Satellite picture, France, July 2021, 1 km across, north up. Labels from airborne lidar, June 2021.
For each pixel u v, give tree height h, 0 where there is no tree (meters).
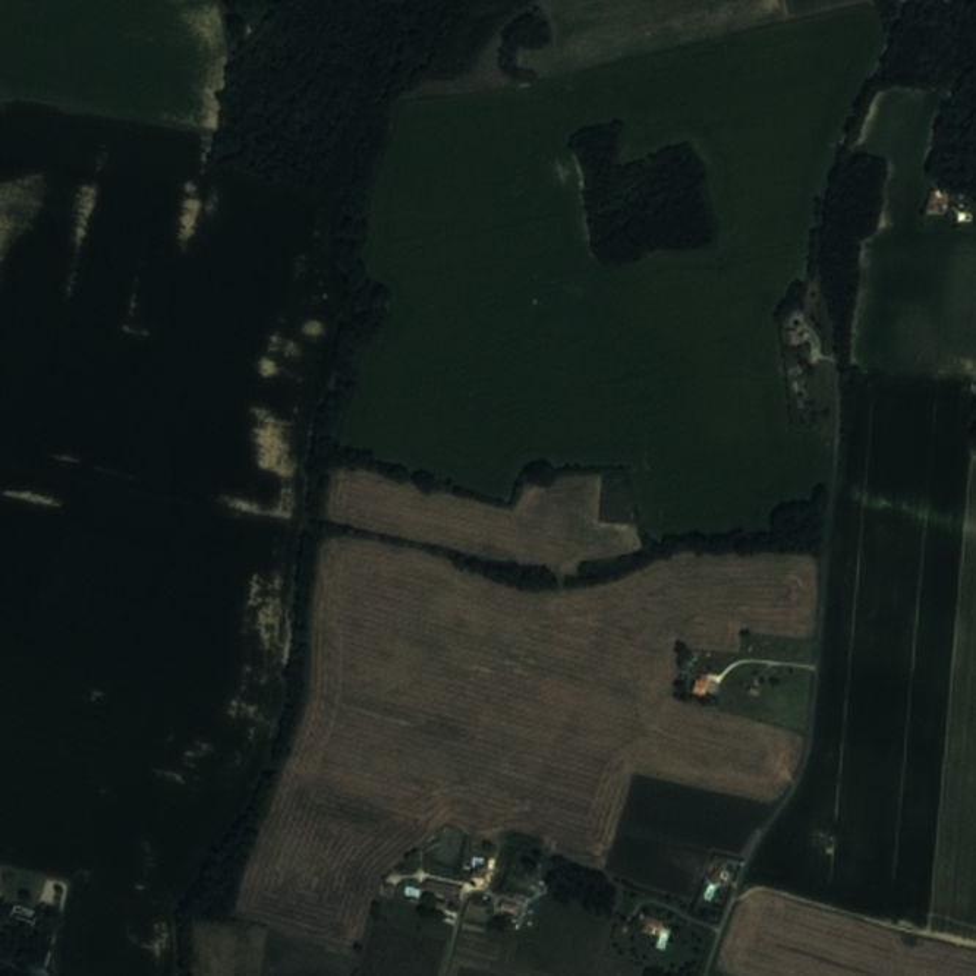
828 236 14
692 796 0
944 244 0
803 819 0
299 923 0
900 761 0
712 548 13
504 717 0
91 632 0
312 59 17
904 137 0
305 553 13
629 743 0
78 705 0
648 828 0
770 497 0
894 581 0
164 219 0
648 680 0
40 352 0
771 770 0
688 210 13
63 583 0
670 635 0
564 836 0
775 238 0
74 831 0
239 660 0
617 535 0
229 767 0
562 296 0
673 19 0
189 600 0
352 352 15
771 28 0
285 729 13
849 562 0
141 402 0
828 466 0
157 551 0
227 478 0
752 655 0
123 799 0
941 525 0
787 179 0
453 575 0
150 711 0
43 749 0
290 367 0
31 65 0
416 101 0
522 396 0
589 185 8
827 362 0
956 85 8
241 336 0
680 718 0
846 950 0
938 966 0
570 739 0
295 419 0
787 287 0
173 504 0
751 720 0
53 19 0
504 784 0
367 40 16
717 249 0
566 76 0
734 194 0
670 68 0
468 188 0
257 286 0
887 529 0
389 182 0
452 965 0
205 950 0
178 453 0
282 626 0
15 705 0
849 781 0
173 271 0
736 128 0
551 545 0
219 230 0
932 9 19
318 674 0
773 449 0
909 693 0
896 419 0
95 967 0
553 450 0
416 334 0
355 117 21
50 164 0
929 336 0
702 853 0
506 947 0
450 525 0
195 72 0
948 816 0
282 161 14
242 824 14
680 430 0
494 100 0
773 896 0
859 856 0
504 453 0
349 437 0
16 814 0
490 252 0
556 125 0
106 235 0
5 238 0
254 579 0
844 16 0
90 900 0
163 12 0
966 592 0
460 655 0
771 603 0
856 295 13
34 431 0
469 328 0
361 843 0
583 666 0
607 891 21
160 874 0
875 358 0
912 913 0
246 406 0
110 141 0
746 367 0
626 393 0
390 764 0
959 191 13
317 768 0
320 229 0
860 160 17
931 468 0
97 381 0
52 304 0
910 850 0
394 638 0
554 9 0
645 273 0
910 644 0
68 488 0
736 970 0
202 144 0
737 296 0
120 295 0
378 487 0
